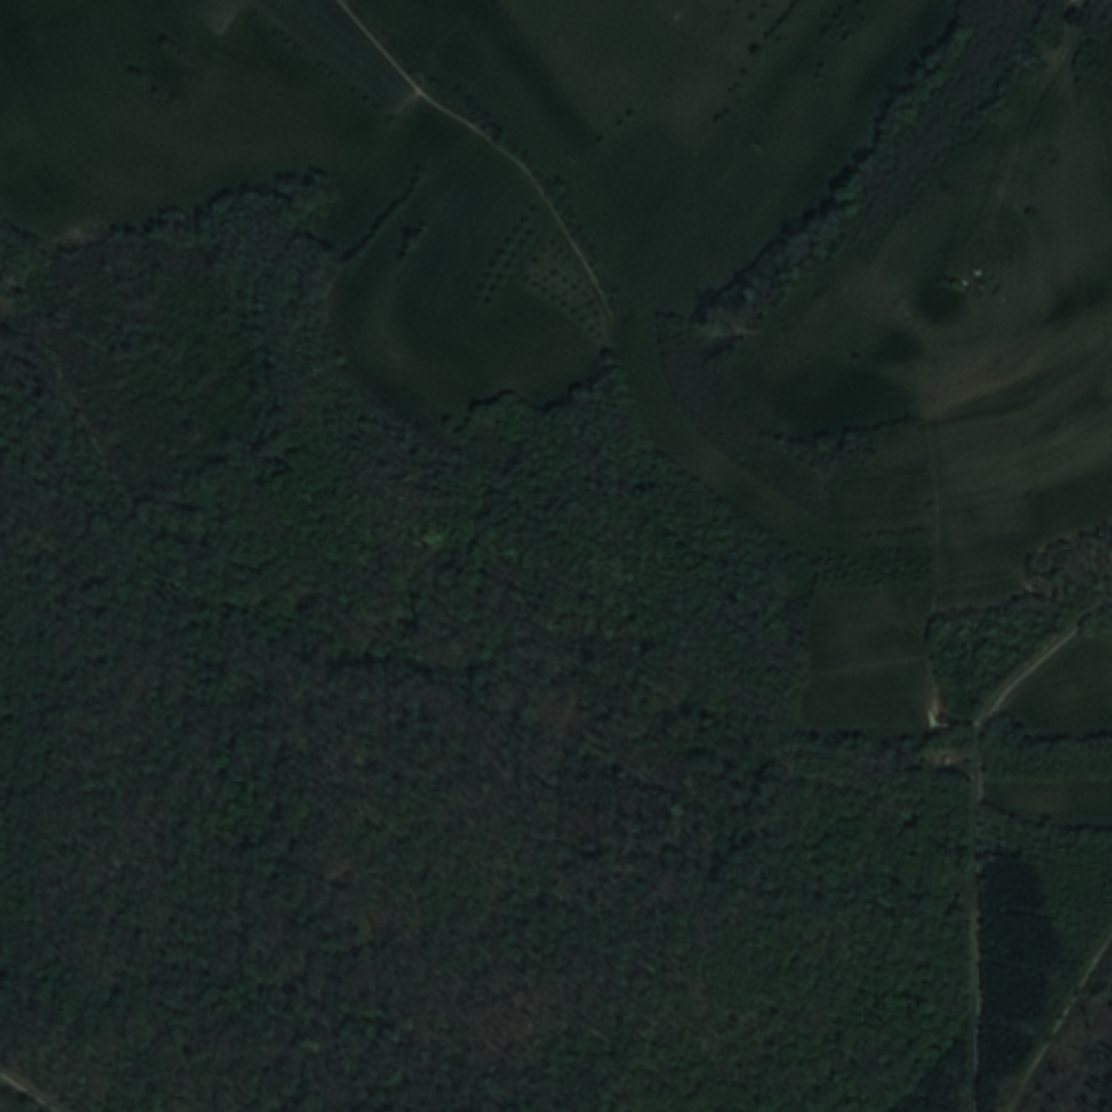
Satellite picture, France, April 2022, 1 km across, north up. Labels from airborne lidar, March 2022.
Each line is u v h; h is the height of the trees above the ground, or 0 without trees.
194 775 26
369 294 0
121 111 0
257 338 23
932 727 0
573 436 25
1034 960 14
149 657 22
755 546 18
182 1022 24
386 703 24
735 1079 17
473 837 19
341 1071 32
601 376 7
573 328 0
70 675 19
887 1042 22
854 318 0
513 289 0
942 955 21
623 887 22
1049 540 0
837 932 20
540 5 0
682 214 0
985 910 14
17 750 24
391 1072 25
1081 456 0
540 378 0
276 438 16
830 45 0
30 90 0
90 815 21
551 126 0
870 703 0
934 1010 22
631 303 0
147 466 9
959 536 0
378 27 0
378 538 21
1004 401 0
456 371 0
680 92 0
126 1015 24
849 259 0
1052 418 0
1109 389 0
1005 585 0
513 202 0
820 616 0
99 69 0
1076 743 17
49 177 0
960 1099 16
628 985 20
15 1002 27
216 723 24
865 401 0
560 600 25
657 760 16
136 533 27
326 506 25
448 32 0
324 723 25
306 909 23
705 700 24
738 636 23
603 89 0
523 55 0
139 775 27
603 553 25
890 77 0
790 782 25
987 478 0
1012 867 17
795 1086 21
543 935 23
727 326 21
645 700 21
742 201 0
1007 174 0
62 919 21
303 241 19
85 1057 24
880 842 18
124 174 0
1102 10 15
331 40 0
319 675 29
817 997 21
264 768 23
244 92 0
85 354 9
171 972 25
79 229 0
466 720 28
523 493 25
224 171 0
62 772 22
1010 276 0
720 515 24
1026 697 0
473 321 0
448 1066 27
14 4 0
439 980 23
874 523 0
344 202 0
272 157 0
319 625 27
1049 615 23
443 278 0
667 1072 20
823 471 16
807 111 0
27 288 28
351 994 30
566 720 21
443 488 23
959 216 0
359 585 24
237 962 27
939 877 24
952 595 0
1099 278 0
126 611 23
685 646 26
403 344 0
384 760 27
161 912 26
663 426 0
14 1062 22
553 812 23
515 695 29
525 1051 24
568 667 27
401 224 0
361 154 0
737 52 0
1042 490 0
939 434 0
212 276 9
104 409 10
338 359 21
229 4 0
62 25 0
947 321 0
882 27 0
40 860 22
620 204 0
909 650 0
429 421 0
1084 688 0
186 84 0
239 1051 25
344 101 0
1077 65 8
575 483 22
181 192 0
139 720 24
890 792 23
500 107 0
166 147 0
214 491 24
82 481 25
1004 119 15
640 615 27
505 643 30
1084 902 6
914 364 0
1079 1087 0
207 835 25
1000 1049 15
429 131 0
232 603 27
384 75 0
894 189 9
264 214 24
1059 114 0
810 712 0
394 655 21
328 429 23
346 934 26
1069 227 0
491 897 20
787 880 25
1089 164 0
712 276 0
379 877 23
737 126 0
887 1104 21
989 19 9
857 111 0
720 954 22
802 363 0
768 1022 22
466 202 0
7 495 22
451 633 24
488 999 26
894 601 0
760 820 23
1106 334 0
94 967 23
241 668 28
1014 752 21
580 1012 20
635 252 0
